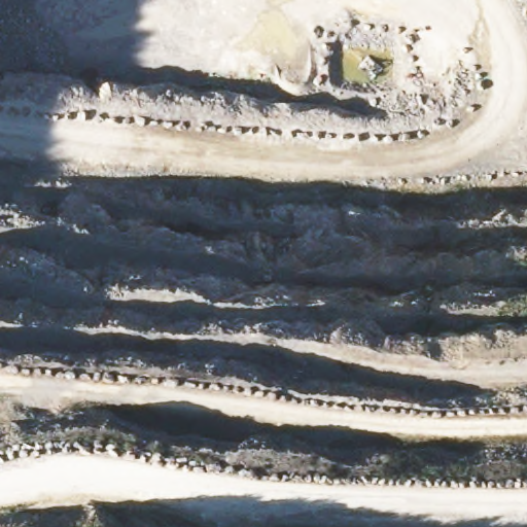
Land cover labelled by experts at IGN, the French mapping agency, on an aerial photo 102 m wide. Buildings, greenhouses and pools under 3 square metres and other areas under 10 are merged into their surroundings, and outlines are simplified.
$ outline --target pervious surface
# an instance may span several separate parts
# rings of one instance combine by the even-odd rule
[[[527,527],[527,0],[0,0],[0,527]]]

